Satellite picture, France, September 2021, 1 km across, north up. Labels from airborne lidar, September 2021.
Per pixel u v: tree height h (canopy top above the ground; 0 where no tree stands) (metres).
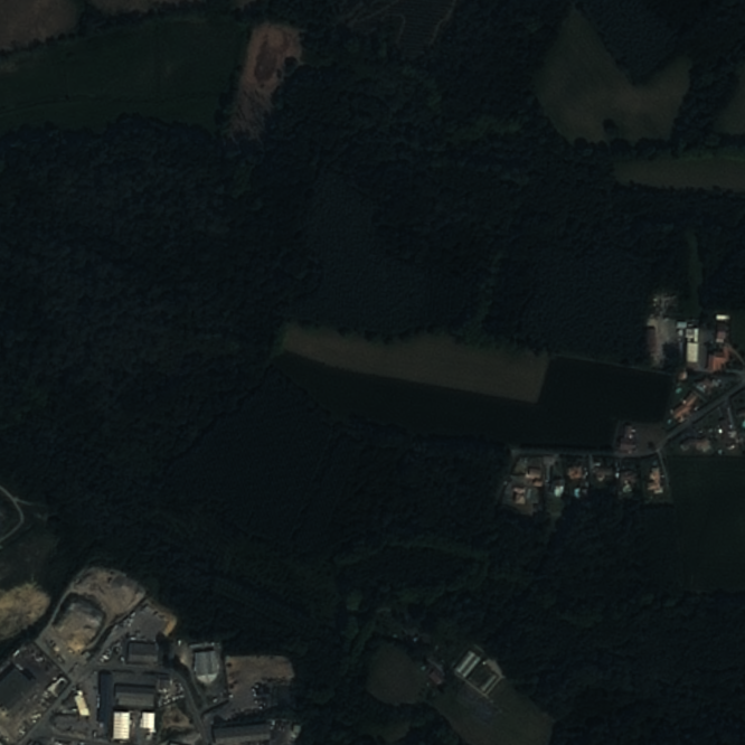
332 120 20
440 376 0
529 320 20
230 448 20
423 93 19
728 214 11
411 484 20
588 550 29
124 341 26
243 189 22
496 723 0
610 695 21
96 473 18
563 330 22
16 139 16
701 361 0
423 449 17
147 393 24
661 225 30
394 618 12
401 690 0
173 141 22
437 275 19
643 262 22
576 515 21
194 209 19
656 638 22
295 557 13
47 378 31
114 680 0
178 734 0
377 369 0
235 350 19
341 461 20
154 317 25
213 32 0
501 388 0
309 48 10
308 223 16
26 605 0
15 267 26
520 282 26
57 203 14
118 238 13
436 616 13
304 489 19
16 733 0
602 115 0
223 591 27
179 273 13
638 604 21
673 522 9
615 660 24
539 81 0
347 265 17
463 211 25
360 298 17
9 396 15
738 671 18
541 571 16
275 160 23
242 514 20
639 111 0
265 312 13
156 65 0
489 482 20
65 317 27
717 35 27
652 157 21
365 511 10
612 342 20
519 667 25
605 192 17
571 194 23
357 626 23
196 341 12
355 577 23
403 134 12
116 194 28
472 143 13
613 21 19
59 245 30
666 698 25
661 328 0
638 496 9
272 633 18
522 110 20
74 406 29
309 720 9
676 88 0
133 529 17
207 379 21
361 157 24
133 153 22
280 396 19
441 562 21
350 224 18
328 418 11
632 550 16
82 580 0
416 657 9
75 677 0
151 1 0
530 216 30
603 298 22
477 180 25
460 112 22
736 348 7
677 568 12
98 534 21
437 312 20
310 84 20
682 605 17
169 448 13
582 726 9
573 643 25
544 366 0
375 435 20
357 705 23
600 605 21
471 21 16
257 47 0
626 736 8
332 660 22
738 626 22
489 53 18
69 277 29
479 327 38
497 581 20
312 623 28
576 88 0
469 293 14
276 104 11
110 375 23
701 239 17
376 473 12
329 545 19
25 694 0
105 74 0
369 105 20
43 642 0
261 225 28
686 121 20
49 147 20
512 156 14
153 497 23
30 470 20
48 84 0
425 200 29
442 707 0
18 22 0
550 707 18
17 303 29
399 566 22
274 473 19
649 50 20
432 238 25
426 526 22
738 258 23
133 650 0
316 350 0
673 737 28
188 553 10
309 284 21
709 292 19
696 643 19
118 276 26
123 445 25
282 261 24
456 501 22
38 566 0
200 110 0
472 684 0
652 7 10
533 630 21
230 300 14
